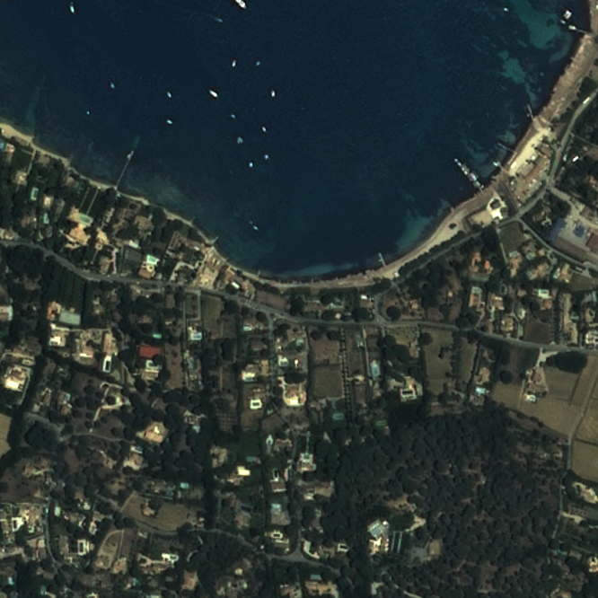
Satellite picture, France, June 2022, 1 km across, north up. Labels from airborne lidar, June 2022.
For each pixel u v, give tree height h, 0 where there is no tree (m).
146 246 17
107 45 0
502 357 14
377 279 6
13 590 16
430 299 13
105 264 0
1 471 17
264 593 14
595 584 14
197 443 14
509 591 10
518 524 13
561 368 12
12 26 0
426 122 0
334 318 14
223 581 0
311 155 0
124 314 19
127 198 11
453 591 11
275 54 0
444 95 0
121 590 6
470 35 0
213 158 0
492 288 13
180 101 0
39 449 14
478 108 0
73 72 0
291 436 6
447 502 13
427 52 0
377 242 0
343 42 0
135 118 0
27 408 16
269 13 0
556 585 12
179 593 12
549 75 0
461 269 12
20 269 20
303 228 0
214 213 0
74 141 0
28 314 14
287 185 0
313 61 0
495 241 16
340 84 0
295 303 12
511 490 14
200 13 0
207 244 9
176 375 0
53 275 17
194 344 6
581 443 0
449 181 0
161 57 0
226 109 0
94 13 0
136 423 12
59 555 13
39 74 0
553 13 0
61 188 11
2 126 0
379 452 14
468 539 15
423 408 9
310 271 0
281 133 0
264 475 6
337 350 0
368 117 0
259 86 0
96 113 0
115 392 0
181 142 0
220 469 11
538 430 13
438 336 0
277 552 13
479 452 6
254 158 0
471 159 0
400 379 12
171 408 14
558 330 6
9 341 14
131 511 0
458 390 6
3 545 7
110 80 0
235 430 8
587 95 5
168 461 15
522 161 0
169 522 0
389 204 0
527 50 0
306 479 15
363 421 10
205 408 15
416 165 0
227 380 0
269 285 9
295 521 11
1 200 13
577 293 9
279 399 9
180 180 0
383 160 0
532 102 0
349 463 12
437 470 13
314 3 0
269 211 0
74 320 0
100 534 12
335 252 0
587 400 0
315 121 0
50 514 8
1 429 0
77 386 0
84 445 12
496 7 0
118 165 0
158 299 18
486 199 0
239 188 0
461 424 17
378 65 0
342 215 0
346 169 0
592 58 0
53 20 0
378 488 11
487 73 0
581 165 13
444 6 0
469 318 12
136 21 0
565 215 7
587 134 15
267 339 12
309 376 6
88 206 0
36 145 0
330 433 7
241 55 0
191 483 9
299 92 0
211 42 0
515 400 0
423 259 10
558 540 12
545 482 11
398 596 11
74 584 11
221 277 7
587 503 9
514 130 0
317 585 0
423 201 0
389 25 0
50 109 0
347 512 15
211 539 14
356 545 6
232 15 0
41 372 10
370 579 8
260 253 0
